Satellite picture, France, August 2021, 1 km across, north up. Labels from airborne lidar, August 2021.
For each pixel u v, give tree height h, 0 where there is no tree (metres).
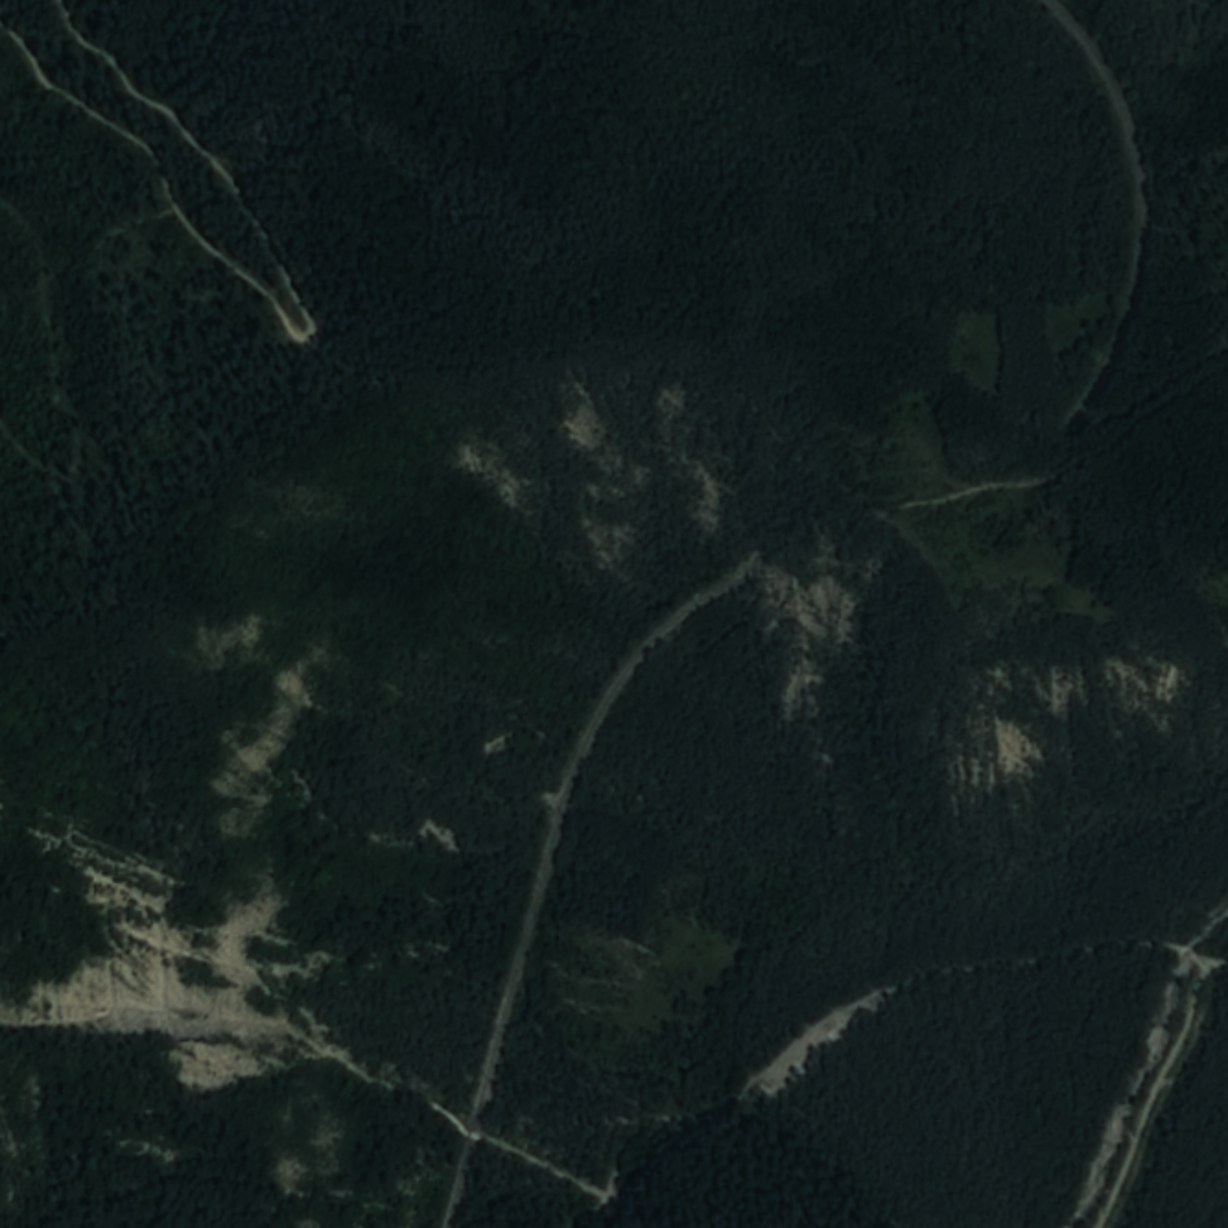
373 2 33
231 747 7
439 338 31
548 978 16
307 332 0
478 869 24
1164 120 20
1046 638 11
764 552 7
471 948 26
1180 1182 11
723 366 16
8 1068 9
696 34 24
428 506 11
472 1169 10
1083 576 20
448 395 9
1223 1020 10
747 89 18
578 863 13
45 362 5
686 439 8
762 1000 13
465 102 28
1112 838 11
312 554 13
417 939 6
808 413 11
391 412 8
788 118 15
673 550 8
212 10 24
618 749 12
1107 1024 12
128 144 9
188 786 15
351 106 21
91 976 0
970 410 16
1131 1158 0
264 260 28
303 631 9
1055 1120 14
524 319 19
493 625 12
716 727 14
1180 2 9
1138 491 18
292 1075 7
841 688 16
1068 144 14
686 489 9
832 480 10
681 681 15
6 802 10
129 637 17
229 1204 31
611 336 17
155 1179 25
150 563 14
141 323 19
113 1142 11
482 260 20
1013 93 19
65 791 11
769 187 20
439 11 25
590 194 26
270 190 29
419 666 9
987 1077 7
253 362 30
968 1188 7
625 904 20
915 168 17
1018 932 6
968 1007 10
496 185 20
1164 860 13
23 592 10
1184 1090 10
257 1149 12
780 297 17
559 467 10
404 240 23
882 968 10
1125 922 12
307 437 14
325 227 19
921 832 19
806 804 14
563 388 10
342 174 25
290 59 27
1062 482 15
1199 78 12
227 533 15
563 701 9
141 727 17
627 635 15
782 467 9
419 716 13
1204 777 9
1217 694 15
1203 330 20
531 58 20
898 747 15
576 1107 20
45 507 8
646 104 16
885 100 20
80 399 17
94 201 8
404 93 20
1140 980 10
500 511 12
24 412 10
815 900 13
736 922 11
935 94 21
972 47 21
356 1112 17
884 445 13
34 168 13
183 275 8
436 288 27
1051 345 15
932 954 13
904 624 13
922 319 13
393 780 23
